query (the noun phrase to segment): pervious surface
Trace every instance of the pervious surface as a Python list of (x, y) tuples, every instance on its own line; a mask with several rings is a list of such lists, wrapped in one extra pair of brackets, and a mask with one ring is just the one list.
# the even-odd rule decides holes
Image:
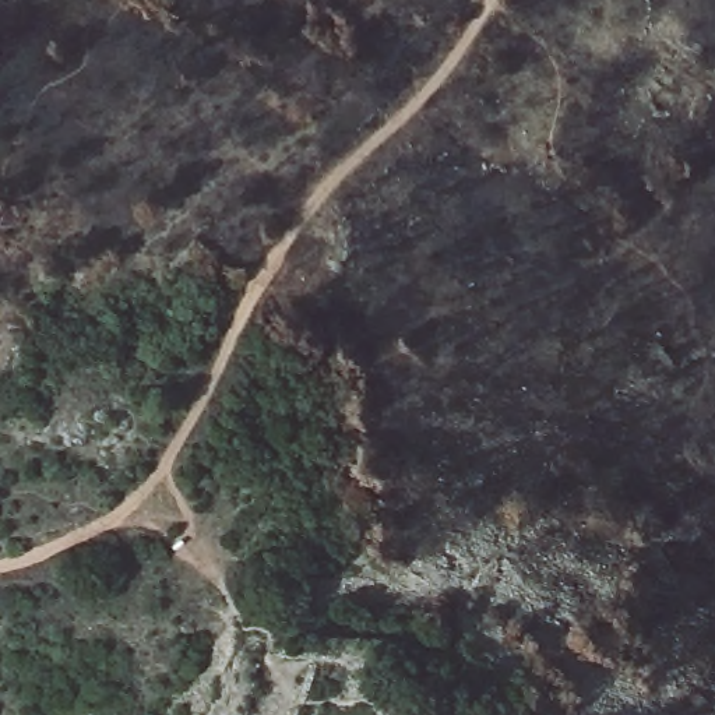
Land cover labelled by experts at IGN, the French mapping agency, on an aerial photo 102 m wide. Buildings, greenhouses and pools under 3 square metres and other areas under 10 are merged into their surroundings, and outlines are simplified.
[(455, 67), (469, 53), (472, 42), (478, 39), (478, 34), (503, 0), (483, 0), (480, 14), (464, 28), (461, 39), (452, 45), (452, 50), (444, 56), (436, 73), (422, 87), (416, 87), (416, 92), (377, 131), (371, 131), (352, 154), (346, 154), (332, 168), (304, 198), (304, 209), (316, 212), (349, 173), (355, 173), (391, 134), (397, 134), (427, 103), (427, 98), (455, 73)]

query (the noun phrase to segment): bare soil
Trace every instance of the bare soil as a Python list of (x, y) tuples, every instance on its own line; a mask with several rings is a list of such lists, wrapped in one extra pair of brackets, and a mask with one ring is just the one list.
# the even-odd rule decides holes
[(14, 313), (25, 302), (31, 302), (36, 290), (45, 290), (47, 285), (53, 288), (53, 277), (73, 277), (73, 285), (78, 290), (109, 290), (115, 279), (134, 279), (137, 271), (148, 271), (154, 274), (154, 279), (165, 279), (173, 274), (173, 268), (184, 265), (190, 257), (198, 257), (198, 251), (207, 249), (212, 251), (218, 265), (246, 271), (254, 279), (257, 271), (265, 265), (268, 251), (290, 229), (296, 235), (296, 243), (290, 246), (282, 268), (277, 271), (268, 290), (251, 310), (249, 327), (257, 330), (260, 338), (268, 335), (274, 344), (296, 346), (299, 352), (307, 352), (310, 346), (318, 346), (332, 358), (341, 352), (363, 369), (366, 397), (360, 399), (360, 419), (369, 433), (366, 472), (383, 480), (380, 492), (385, 494), (385, 508), (374, 511), (380, 525), (371, 525), (366, 547), (358, 556), (360, 573), (344, 575), (338, 589), (352, 592), (360, 587), (380, 584), (388, 592), (402, 592), (413, 598), (438, 595), (444, 589), (466, 589), (466, 609), (478, 609), (478, 614), (483, 617), (486, 637), (500, 640), (508, 648), (508, 654), (522, 654), (536, 676), (556, 684), (559, 701), (564, 704), (567, 715), (715, 715), (715, 0), (503, 0), (478, 34), (478, 39), (472, 42), (469, 53), (455, 67), (455, 73), (427, 98), (427, 103), (397, 134), (391, 134), (355, 173), (349, 173), (316, 212), (304, 209), (304, 198), (332, 168), (321, 159), (316, 145), (299, 145), (302, 137), (318, 134), (318, 126), (310, 117), (310, 112), (299, 112), (293, 98), (279, 98), (271, 89), (263, 89), (251, 78), (249, 67), (240, 64), (243, 53), (265, 59), (296, 56), (299, 61), (310, 56), (313, 45), (302, 36), (302, 28), (304, 14), (316, 17), (316, 6), (302, 8), (290, 6), (288, 0), (263, 0), (257, 6), (237, 3), (229, 8), (212, 8), (209, 14), (196, 11), (187, 25), (182, 25), (173, 17), (173, 31), (168, 34), (159, 20), (140, 20), (140, 14), (115, 8), (109, 0), (64, 0), (67, 11), (61, 17), (61, 25), (70, 28), (106, 20), (103, 39), (95, 47), (89, 47), (73, 70), (42, 84), (42, 89), (31, 101), (17, 101), (8, 112), (0, 106), (0, 377), (11, 366), (20, 366)]
[(182, 511), (168, 492), (168, 483), (159, 483), (123, 528), (145, 528), (162, 533), (170, 522), (182, 522)]
[(352, 31), (352, 56), (363, 64), (385, 61), (388, 50), (399, 42), (399, 22), (391, 14), (380, 11)]
[(360, 670), (363, 656), (358, 651), (290, 656), (279, 651), (265, 654), (265, 668), (274, 687), (260, 704), (257, 715), (299, 715), (299, 707), (304, 704), (313, 687), (316, 665), (341, 665), (344, 670)]
[(240, 715), (251, 681), (249, 662), (243, 659), (243, 654), (235, 651), (237, 606), (223, 575), (229, 564), (235, 564), (235, 556), (221, 545), (212, 545), (198, 531), (198, 519), (193, 514), (184, 519), (184, 533), (173, 542), (173, 553), (179, 561), (190, 564), (218, 587), (226, 606), (221, 609), (212, 626), (212, 634), (218, 640), (212, 648), (212, 665), (198, 676), (198, 681), (187, 693), (173, 695), (179, 707), (190, 704), (193, 715)]

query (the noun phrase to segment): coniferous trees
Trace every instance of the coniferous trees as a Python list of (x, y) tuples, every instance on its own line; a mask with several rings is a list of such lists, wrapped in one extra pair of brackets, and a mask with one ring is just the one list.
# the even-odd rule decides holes
[(173, 17), (182, 25), (187, 25), (196, 11), (209, 14), (212, 8), (229, 8), (237, 3), (257, 6), (263, 0), (109, 0), (115, 8), (140, 14), (140, 20), (159, 20), (168, 34), (173, 31)]
[[(318, 126), (318, 134), (302, 137), (299, 145), (316, 145), (321, 159), (332, 168), (346, 154), (352, 154), (371, 131), (377, 131), (416, 92), (416, 87), (422, 87), (436, 73), (444, 56), (452, 50), (452, 45), (461, 39), (464, 28), (480, 14), (483, 0), (288, 0), (290, 6), (302, 8), (316, 6), (316, 17), (304, 14), (302, 28), (302, 36), (313, 45), (310, 56), (299, 61), (296, 56), (265, 59), (243, 53), (240, 64), (249, 67), (251, 78), (263, 89), (271, 89), (279, 98), (293, 98), (299, 112), (310, 112), (310, 117)], [(385, 61), (363, 64), (352, 56), (352, 31), (380, 11), (391, 14), (399, 22), (399, 42), (388, 50)]]
[(89, 47), (95, 47), (103, 39), (106, 20), (70, 28), (61, 25), (61, 17), (67, 11), (64, 0), (0, 0), (0, 106), (8, 112), (17, 101), (31, 101), (42, 89), (42, 84), (73, 70)]

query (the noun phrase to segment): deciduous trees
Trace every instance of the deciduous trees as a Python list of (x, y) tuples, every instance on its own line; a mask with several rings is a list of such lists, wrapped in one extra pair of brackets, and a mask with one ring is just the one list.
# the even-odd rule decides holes
[[(268, 251), (265, 265), (257, 271), (254, 279), (246, 271), (218, 265), (212, 251), (207, 249), (198, 251), (198, 257), (190, 257), (184, 265), (173, 268), (173, 274), (165, 279), (154, 279), (154, 274), (148, 271), (137, 271), (134, 279), (115, 279), (109, 290), (78, 290), (73, 285), (73, 277), (53, 277), (53, 288), (47, 285), (45, 290), (36, 290), (31, 302), (25, 302), (14, 313), (20, 366), (11, 366), (0, 377), (0, 715), (193, 715), (190, 704), (179, 707), (173, 695), (187, 693), (198, 681), (198, 676), (212, 665), (212, 648), (218, 640), (212, 634), (212, 626), (221, 609), (226, 606), (218, 587), (190, 564), (179, 561), (173, 553), (173, 542), (184, 533), (184, 519), (193, 514), (198, 519), (198, 531), (212, 545), (221, 545), (235, 556), (235, 564), (229, 564), (223, 575), (237, 606), (235, 651), (243, 654), (243, 659), (249, 662), (251, 681), (240, 715), (257, 715), (260, 704), (274, 687), (265, 668), (265, 654), (279, 651), (290, 656), (358, 651), (363, 656), (360, 670), (344, 670), (341, 665), (316, 665), (313, 687), (304, 704), (299, 707), (299, 715), (567, 715), (564, 704), (559, 701), (556, 684), (536, 676), (522, 654), (508, 654), (508, 648), (500, 640), (486, 637), (483, 617), (478, 614), (478, 609), (466, 609), (466, 589), (444, 589), (438, 595), (413, 598), (402, 592), (388, 592), (380, 584), (360, 587), (352, 592), (338, 589), (344, 575), (360, 573), (358, 556), (366, 547), (371, 525), (380, 525), (374, 511), (385, 508), (385, 494), (380, 492), (383, 480), (366, 472), (369, 433), (360, 419), (360, 399), (366, 397), (363, 369), (341, 352), (332, 358), (318, 346), (310, 346), (307, 352), (299, 352), (296, 346), (274, 344), (268, 335), (260, 338), (257, 330), (249, 327), (251, 310), (268, 290), (277, 271), (282, 268), (290, 246), (296, 243), (296, 235), (290, 229)], [(162, 533), (145, 528), (123, 528), (159, 483), (168, 483), (168, 492), (182, 511), (182, 522), (170, 522)]]

